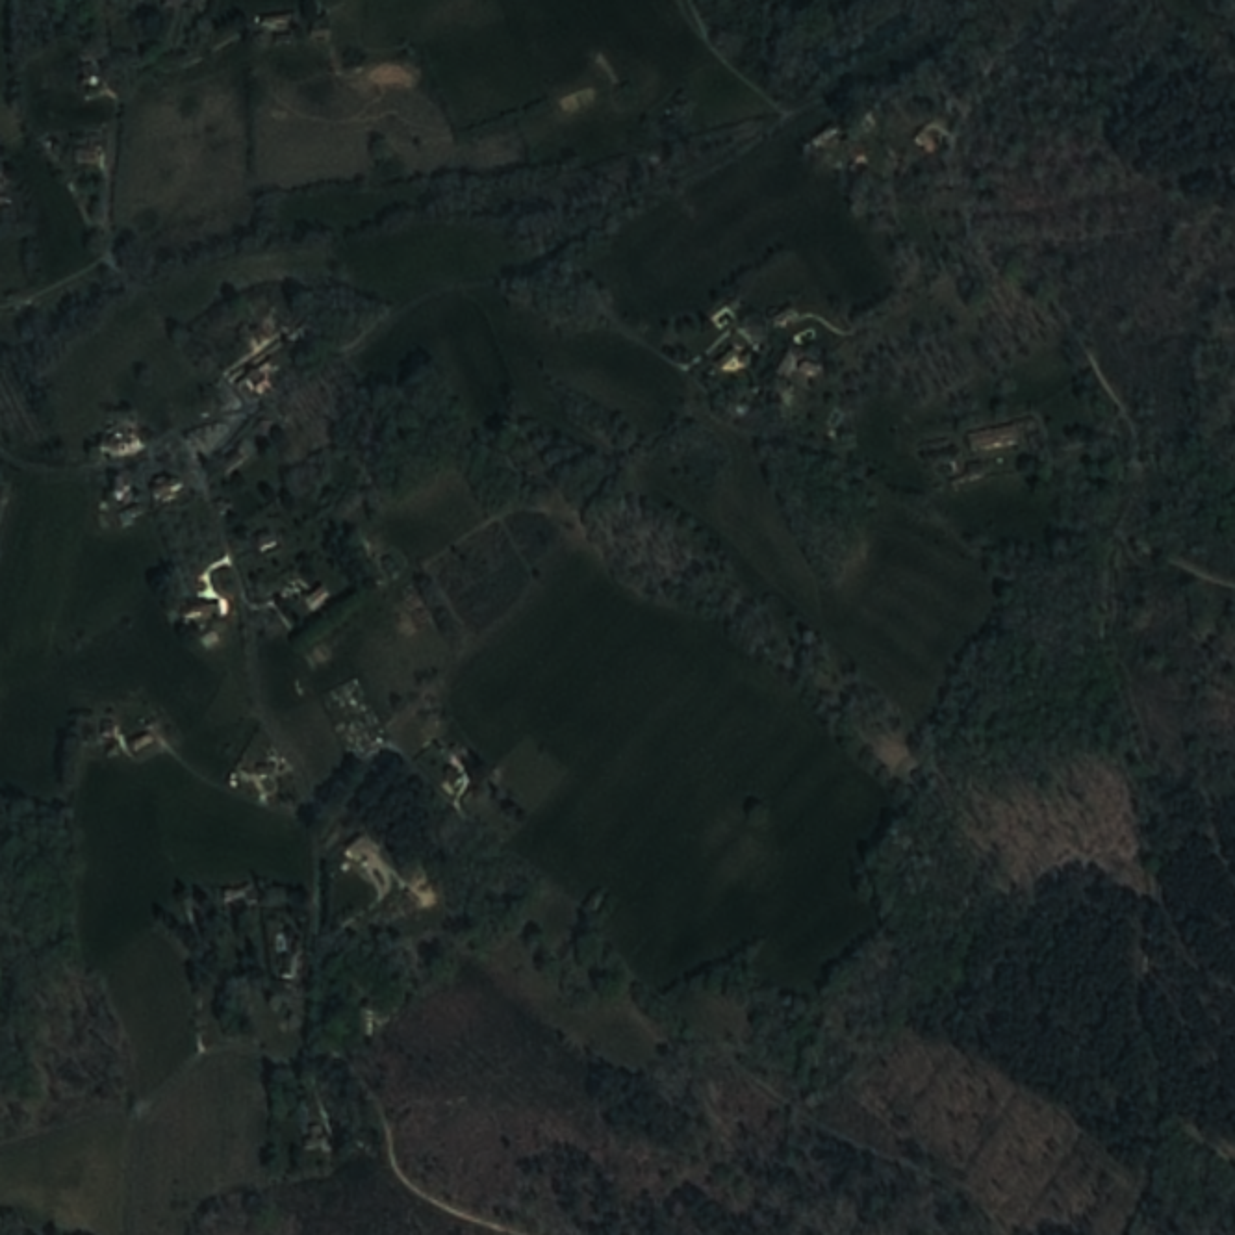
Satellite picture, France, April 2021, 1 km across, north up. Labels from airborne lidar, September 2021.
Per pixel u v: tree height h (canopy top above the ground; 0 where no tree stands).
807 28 38
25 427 22
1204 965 0
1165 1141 21
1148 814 16
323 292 17
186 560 8
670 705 0
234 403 0
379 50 0
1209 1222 15
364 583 16
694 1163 11
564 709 0
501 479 23
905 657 0
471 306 0
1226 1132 0
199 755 0
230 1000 17
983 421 14
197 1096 0
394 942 10
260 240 17
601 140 0
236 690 0
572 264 14
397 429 26
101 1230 0
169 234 0
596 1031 0
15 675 0
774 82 23
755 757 0
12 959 26
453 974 23
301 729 0
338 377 23
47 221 0
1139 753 11
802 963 0
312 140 0
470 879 15
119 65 16
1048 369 0
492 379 0
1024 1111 14
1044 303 24
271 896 13
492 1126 0
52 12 23
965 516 0
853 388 13
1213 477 19
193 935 12
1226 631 16
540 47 0
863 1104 11
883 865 22
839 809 0
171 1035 0
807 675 18
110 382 0
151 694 0
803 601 0
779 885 0
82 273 0
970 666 17
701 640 0
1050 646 19
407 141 0
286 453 18
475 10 0
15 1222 14
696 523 10
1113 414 17
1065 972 0
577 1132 0
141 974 0
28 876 27
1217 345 8
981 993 22
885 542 0
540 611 0
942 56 13
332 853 0
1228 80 7
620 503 14
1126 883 13
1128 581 10
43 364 25
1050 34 20
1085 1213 10
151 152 0
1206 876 14
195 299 0
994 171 7
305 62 0
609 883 0
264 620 17
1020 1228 11
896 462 0
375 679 0
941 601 0
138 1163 0
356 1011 15
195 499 8
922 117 19
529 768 0
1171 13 10
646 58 0
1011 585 19
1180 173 0
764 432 15
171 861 0
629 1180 10
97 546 0
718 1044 0
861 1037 14
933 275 15
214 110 0
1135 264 9
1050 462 15
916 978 21
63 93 0
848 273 0
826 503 21
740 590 8
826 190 0
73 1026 14
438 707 7
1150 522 13
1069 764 24
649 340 0
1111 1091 21
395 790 21
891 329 0
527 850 0
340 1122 16
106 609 0
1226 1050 14
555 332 6
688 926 0
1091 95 8
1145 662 7
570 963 15
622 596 0
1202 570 14
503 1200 8
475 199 21
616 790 0
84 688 0
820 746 0
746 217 0
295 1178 12
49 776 0
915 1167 17
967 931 21
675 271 0
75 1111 7
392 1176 0
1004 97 10
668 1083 18
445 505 0
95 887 0
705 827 0
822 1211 15
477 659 0
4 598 0
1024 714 23
